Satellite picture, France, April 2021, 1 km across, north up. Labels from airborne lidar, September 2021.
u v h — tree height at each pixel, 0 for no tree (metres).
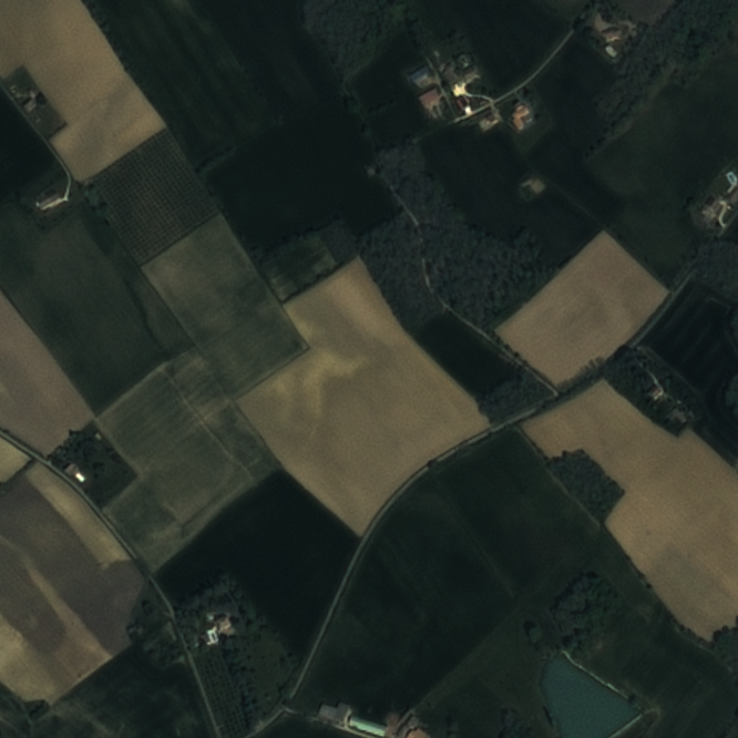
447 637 0
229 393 0
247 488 0
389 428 0
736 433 0
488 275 22
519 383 9
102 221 0
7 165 0
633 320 0
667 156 0
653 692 0
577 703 0
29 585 0
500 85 0
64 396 0
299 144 0
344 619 0
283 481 0
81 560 0
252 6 0
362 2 21
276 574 0
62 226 0
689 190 0
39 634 0
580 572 0
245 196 0
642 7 0
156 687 0
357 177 0
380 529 0
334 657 0
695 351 0
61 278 0
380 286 9
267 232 0
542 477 0
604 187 0
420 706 0
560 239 0
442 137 0
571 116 0
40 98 9
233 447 0
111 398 0
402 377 0
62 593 0
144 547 0
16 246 0
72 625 0
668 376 8
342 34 16
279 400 0
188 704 0
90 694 0
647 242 0
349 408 0
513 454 0
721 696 0
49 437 0
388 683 0
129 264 0
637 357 9
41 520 0
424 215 20
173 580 0
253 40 0
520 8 0
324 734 0
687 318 0
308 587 0
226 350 0
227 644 19
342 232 10
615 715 0
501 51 0
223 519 0
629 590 0
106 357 0
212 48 0
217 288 0
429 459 0
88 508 0
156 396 0
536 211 0
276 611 0
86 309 0
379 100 0
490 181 0
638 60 11
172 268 0
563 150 0
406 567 0
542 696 0
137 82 6
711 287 14
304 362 0
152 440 0
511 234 0
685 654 0
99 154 0
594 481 17
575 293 0
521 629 0
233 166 0
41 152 0
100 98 0
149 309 0
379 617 0
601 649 0
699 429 0
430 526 0
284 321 0
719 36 20
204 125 0
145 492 0
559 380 0
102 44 0
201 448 0
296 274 0
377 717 0
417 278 19
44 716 0
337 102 0
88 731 0
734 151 0
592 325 0
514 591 0
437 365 0
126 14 0
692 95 0
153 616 17
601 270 0
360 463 0
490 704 0
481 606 0
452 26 0
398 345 0
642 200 0
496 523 0
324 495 0
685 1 14
